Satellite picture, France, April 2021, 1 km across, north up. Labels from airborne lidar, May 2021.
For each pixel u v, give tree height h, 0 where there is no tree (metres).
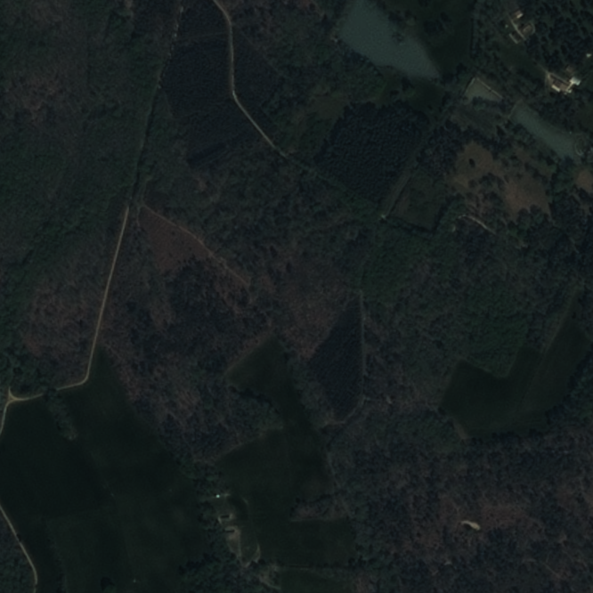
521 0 21
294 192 8
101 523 0
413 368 16
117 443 0
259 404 19
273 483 0
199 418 13
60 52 14
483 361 15
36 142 21
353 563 0
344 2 22
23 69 15
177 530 0
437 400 12
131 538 0
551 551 20
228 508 0
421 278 15
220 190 10
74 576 0
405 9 0
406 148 18
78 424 0
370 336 12
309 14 17
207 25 17
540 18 15
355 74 22
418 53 0
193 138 7
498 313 21
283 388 0
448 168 18
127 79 19
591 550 23
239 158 7
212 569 17
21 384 7
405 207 0
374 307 9
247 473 0
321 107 0
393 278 17
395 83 0
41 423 0
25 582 13
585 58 20
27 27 16
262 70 8
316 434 0
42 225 19
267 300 6
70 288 11
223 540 13
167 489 0
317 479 0
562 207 20
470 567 21
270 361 0
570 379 0
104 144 20
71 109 16
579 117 21
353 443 17
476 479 25
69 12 12
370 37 0
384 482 16
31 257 18
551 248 6
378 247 20
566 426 24
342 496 13
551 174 0
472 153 0
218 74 17
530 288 18
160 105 21
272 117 15
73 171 19
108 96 17
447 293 11
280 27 17
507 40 21
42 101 16
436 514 23
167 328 11
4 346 21
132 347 6
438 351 7
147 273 14
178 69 18
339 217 18
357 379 9
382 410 11
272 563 9
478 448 21
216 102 18
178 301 13
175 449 17
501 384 0
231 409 18
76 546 0
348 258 15
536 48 19
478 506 24
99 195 21
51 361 7
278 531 0
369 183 20
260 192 6
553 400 0
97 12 18
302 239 19
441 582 12
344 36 0
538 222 17
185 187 20
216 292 9
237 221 8
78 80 11
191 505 0
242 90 12
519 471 17
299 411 0
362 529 21
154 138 21
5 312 24
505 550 16
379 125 17
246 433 24
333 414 11
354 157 21
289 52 8
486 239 14
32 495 0
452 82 21
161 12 21
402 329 12
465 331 12
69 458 0
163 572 0
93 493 0
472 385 0
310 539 0
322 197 8
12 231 19
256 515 0
